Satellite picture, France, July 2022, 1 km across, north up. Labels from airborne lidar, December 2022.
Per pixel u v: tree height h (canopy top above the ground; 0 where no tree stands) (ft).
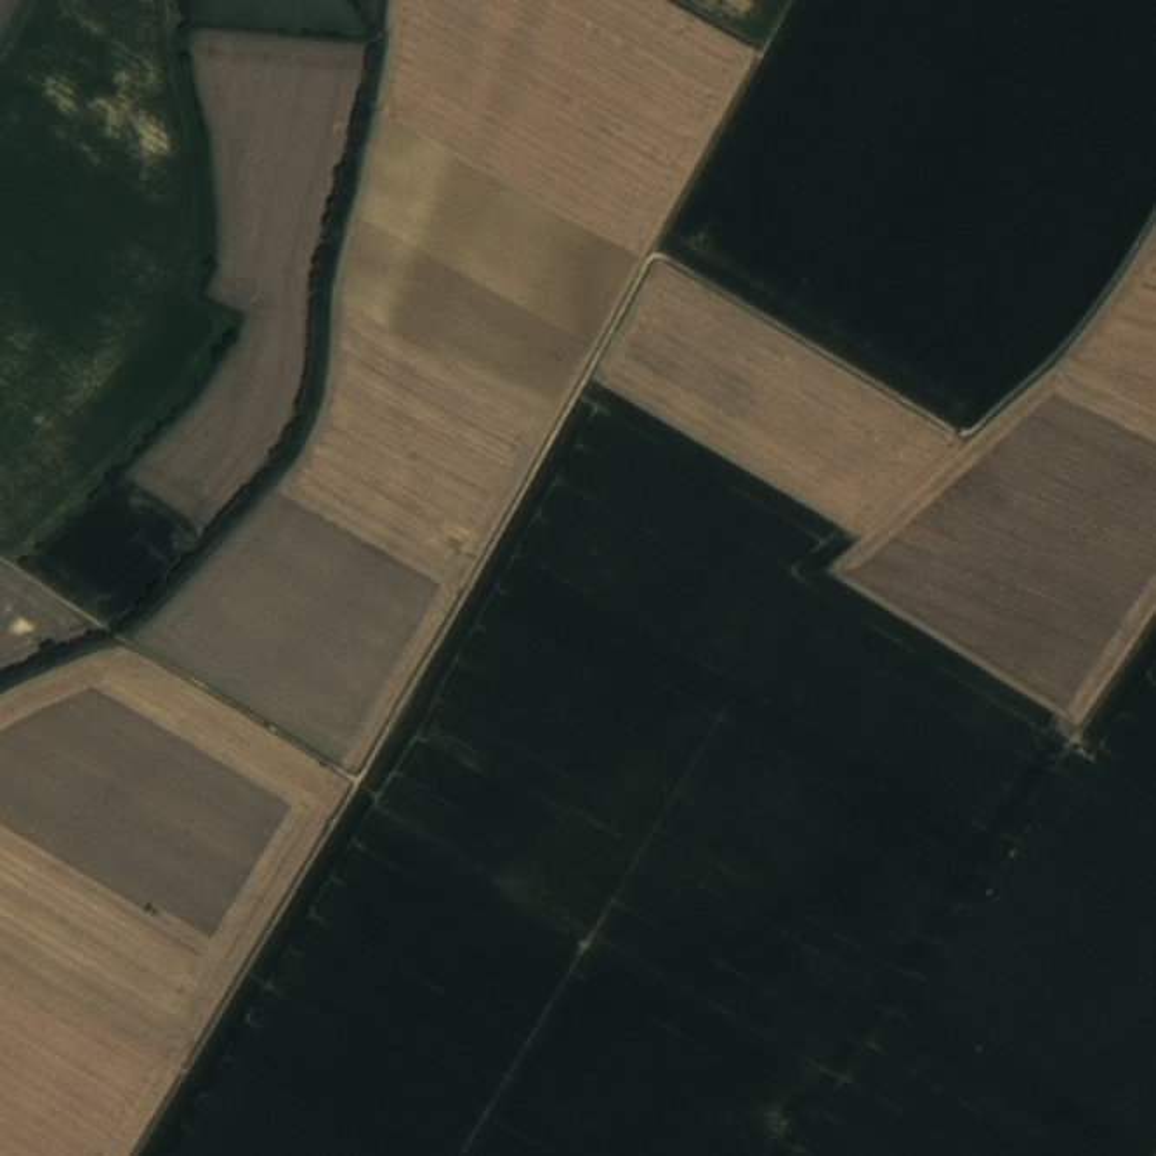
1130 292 0
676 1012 0
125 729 0
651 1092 0
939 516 0
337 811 0
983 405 0
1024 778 0
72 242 0
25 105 0
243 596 0
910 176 0
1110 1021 0
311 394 45
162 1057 0
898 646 0
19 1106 0
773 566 0
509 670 0
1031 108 0
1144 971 0
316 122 0
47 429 0
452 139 0
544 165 0
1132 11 0
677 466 0
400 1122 0
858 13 0
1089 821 0
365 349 0
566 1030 0
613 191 0
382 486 0
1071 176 0
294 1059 0
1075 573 0
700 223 0
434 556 0
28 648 0
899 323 0
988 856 0
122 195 0
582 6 0
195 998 0
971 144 0
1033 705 0
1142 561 0
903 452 0
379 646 0
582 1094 0
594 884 0
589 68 0
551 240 0
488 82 0
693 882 0
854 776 0
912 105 0
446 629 0
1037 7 0
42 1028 0
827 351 0
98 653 0
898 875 0
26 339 0
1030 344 0
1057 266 0
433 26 0
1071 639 0
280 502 0
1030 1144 0
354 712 0
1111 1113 0
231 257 0
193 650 0
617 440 0
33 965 0
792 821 0
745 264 0
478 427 0
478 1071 0
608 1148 0
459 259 0
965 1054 0
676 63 0
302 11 0
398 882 0
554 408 0
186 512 0
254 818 0
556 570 0
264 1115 0
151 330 0
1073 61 0
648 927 0
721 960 0
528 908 0
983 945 0
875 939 0
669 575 0
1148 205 0
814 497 0
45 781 0
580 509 0
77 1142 0
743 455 0
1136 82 0
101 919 0
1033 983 0
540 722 0
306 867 0
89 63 0
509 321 0
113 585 0
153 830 0
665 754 0
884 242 0
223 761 0
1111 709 0
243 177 0
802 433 0
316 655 0
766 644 0
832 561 0
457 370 0
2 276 0
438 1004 0
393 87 0
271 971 0
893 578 0
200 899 0
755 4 0
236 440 0
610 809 0
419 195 0
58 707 0
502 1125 0
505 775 0
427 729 0
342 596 0
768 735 0
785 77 0
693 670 0
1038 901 0
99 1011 0
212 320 0
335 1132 0
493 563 0
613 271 0
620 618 0
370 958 0
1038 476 0
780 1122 0
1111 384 0
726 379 0
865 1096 0
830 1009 0
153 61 0
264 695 0
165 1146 0
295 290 0
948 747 0
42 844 0
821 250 0
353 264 0
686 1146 0
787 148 0
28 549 0
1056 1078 0
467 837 0
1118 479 0
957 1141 0
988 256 0
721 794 0
